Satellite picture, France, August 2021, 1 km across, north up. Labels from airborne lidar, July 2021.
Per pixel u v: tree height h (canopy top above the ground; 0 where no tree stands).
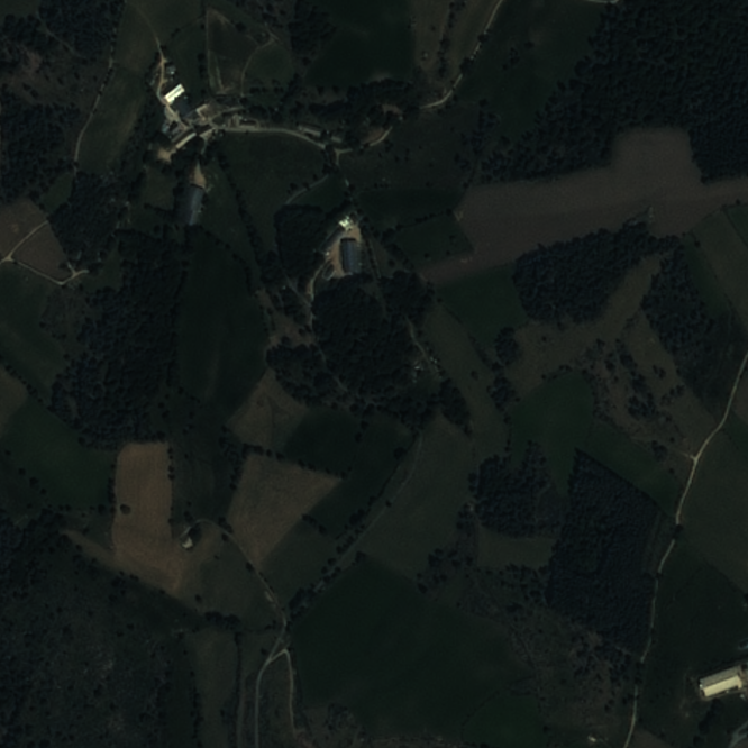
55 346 0
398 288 15
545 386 0
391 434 0
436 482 0
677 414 0
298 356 15
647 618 22
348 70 0
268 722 0
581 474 16
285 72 0
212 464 0
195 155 8
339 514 0
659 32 12
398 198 0
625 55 12
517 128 0
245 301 0
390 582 0
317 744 0
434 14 0
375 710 0
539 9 0
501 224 0
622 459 0
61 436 0
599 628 17
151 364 15
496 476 15
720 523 0
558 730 0
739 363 0
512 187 0
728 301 0
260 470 0
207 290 0
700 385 0
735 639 0
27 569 6
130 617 0
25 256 0
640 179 0
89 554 0
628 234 13
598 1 0
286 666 0
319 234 15
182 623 0
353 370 13
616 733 0
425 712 0
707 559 0
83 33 9
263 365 0
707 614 0
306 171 0
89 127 0
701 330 11
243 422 0
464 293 0
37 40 10
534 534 15
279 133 0
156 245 17
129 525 0
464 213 0
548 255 17
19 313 0
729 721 0
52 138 12
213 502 0
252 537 0
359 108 13
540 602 9
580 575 19
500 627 0
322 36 15
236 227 0
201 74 9
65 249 9
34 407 0
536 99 0
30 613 0
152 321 21
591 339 0
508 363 9
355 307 15
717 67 11
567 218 0
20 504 0
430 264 0
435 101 0
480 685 0
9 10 0
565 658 0
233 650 0
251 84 0
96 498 0
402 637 0
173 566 0
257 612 0
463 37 0
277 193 0
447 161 0
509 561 0
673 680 0
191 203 0
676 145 0
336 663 0
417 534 0
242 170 0
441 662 0
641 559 23
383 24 0
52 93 0
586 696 0
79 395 11
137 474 0
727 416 0
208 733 0
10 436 0
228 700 0
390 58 0
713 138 20
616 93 14
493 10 0
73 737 7
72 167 11
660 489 0
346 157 0
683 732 0
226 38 0
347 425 0
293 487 0
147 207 11
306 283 14
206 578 0
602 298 16
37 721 0
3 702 14
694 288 12
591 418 0
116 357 8
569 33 0
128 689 0
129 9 0
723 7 13
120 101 0
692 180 0
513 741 0
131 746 0
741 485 0
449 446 0
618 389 0
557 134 7
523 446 0
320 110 20
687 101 10
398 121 14
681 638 0
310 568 0
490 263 0
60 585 0
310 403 15
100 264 9
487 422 0
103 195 8
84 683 0
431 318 0
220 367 0
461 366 0
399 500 0
